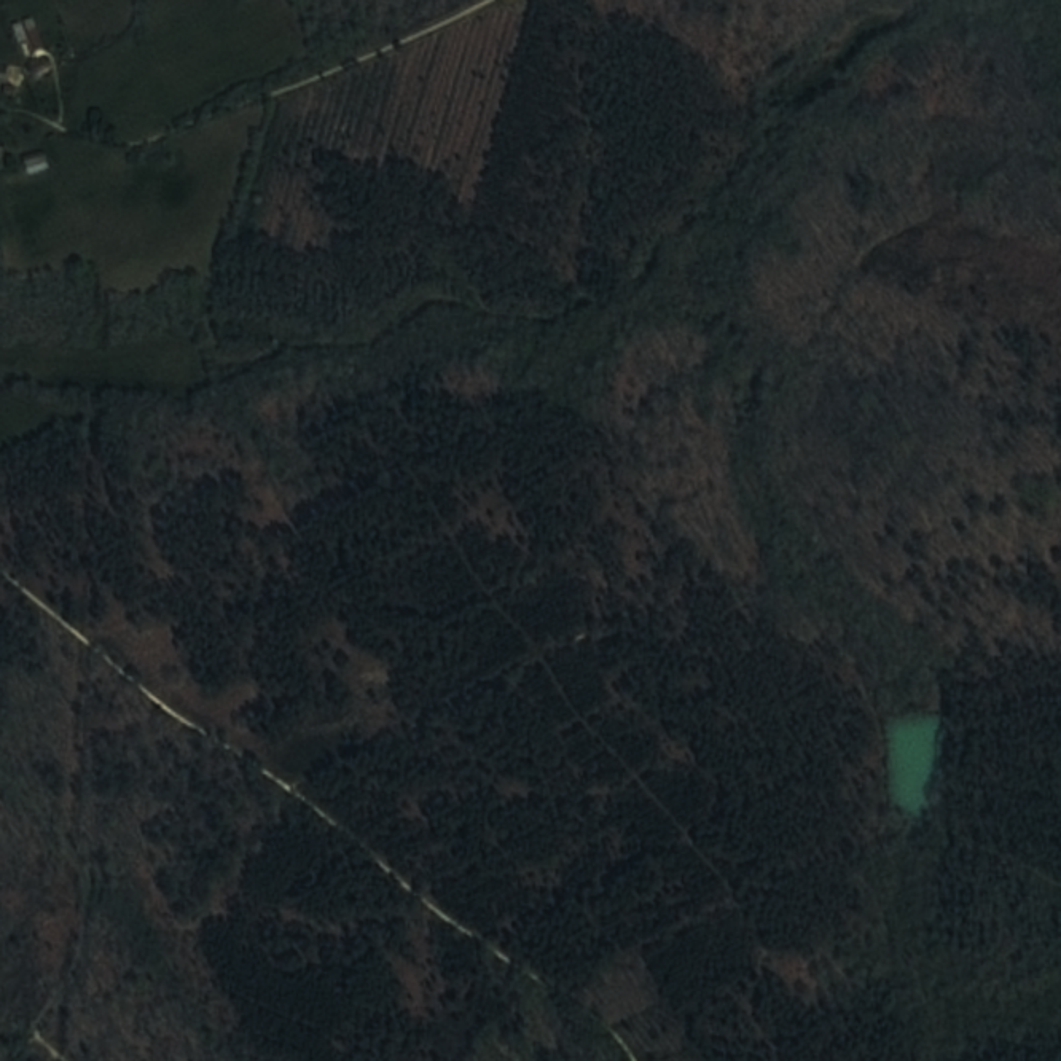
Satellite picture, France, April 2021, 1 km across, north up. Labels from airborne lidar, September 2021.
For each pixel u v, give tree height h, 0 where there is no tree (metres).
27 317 18
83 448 23
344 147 8
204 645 20
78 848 20
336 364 16
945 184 10
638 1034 9
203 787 25
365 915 22
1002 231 12
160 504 11
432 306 14
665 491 10
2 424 0
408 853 11
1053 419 14
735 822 21
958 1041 14
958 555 14
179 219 0
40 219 0
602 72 20
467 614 19
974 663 26
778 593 18
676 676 21
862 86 12
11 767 21
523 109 10
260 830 7
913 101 20
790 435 20
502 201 10
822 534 20
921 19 17
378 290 22
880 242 10
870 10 12
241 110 14
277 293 21
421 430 22
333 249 13
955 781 23
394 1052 10
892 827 20
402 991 19
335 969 13
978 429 14
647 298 26
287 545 24
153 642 0
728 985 12
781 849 21
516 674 14
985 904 13
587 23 23
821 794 24
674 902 13
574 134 23
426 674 10
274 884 15
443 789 21
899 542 21
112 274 0
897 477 21
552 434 24
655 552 19
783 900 19
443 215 21
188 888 27
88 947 14
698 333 16
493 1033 19
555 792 12
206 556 24
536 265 22
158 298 17
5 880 16
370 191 23
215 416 11
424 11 10
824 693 22
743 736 22
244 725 18
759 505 18
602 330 21
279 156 9
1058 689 21
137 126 0
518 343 21
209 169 0
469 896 10
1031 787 21
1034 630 17
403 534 9
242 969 13
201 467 15
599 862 12
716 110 23
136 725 10
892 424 23
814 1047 20
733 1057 19
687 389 19
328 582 23
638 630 18
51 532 25
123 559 23
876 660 13
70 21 0
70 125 0
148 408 17
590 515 23
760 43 17
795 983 0
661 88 19
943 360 21
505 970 20
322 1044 16
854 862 24
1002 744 22
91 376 0
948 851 14
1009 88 18
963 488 13
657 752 13
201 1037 20
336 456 20
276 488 15
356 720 0
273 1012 16
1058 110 17
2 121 13
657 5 9
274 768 0
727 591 22
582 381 17
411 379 11
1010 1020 14
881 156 19
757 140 23
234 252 23
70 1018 15
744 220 21
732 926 12
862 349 16
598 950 21
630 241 7
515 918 12
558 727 11
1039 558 18
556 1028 20
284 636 21
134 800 13
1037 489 20
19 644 13
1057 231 18
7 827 19
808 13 12
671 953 14
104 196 0
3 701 18
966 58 9
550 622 11
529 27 11
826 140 21
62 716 13
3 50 0
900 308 15
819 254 18
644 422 15
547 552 20
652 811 13
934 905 13
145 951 13
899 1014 9
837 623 17
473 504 11
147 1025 17
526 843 19
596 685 13
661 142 8
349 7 15
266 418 7
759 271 19
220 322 16
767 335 18
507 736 18
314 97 9
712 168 23
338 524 21
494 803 23
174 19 0
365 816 10
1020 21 24
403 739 12
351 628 22
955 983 12
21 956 21
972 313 13
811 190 23
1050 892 8
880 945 15
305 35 8
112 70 0
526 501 20
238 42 0
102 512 25
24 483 21
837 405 19
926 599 17
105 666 14
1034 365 21
